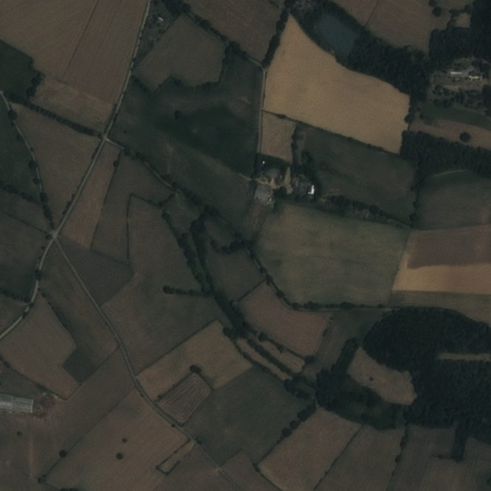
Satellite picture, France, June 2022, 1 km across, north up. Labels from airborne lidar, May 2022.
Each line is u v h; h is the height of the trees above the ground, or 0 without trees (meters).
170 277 0
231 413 0
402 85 17
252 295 0
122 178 0
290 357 0
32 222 0
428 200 0
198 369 12
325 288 0
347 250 0
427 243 0
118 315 0
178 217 0
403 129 0
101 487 0
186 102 0
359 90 0
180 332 0
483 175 16
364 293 0
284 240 0
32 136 0
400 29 0
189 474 0
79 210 0
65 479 0
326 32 0
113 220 0
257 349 11
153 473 0
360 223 0
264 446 0
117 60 0
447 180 0
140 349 0
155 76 0
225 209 0
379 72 12
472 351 18
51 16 0
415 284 0
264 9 0
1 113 0
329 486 0
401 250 0
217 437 0
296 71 0
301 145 0
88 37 0
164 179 10
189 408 0
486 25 12
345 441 0
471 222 0
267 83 0
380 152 10
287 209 0
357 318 0
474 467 0
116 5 0
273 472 0
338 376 11
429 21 0
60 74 0
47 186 0
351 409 0
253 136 0
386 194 0
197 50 0
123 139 0
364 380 0
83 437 0
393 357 13
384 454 0
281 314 0
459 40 22
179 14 16
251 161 0
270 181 0
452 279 0
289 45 0
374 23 0
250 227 0
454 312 6
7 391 0
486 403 6
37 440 0
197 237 9
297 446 0
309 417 7
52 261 0
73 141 0
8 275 0
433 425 10
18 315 0
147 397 0
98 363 0
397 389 0
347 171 0
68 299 0
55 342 0
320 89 0
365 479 0
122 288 0
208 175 0
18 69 0
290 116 0
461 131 0
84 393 0
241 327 7
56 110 0
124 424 0
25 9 0
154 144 0
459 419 10
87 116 0
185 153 0
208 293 12
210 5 0
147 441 0
